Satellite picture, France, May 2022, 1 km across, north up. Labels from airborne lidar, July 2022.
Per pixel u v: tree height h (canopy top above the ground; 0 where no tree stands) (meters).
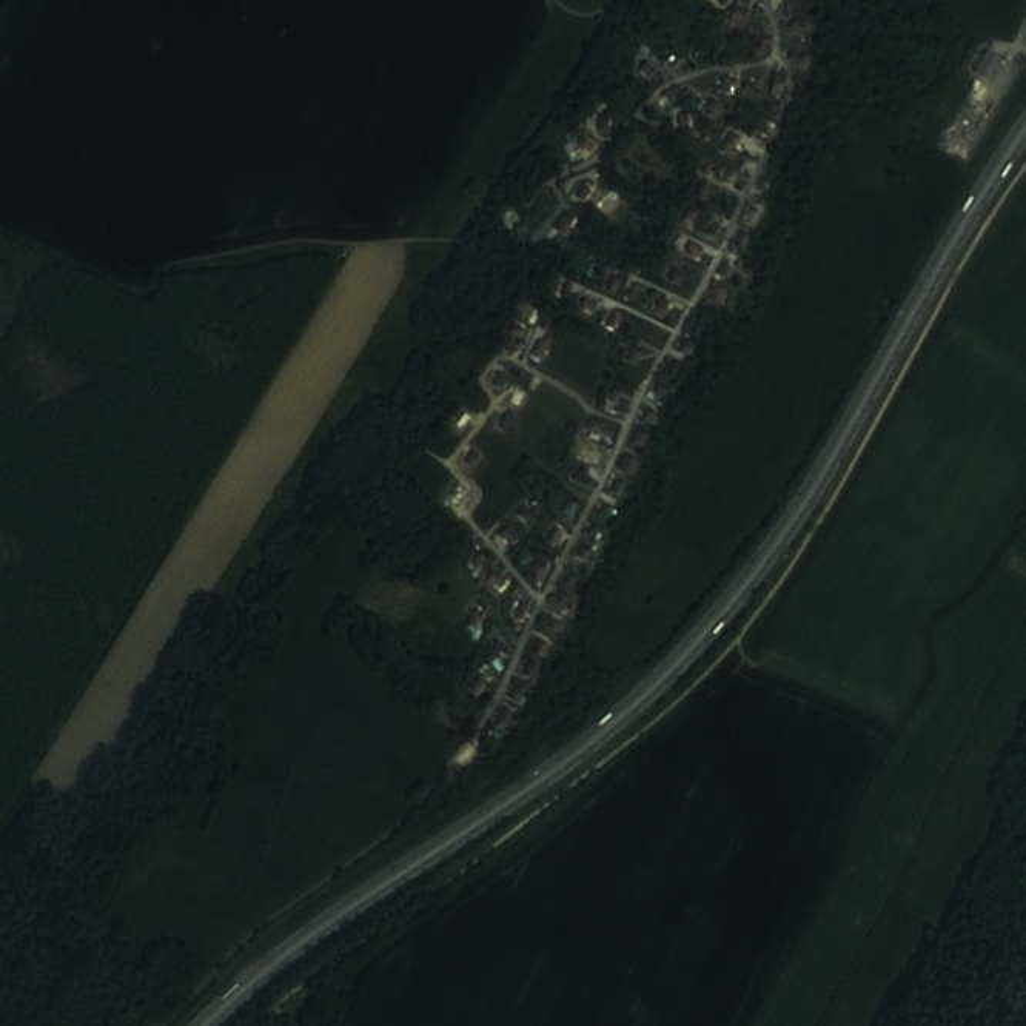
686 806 0
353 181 0
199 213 0
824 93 18
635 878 0
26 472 15
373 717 0
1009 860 24
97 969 21
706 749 0
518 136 0
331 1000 21
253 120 0
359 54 0
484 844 9
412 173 0
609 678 15
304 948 0
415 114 0
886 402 0
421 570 13
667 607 0
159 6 0
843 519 0
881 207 0
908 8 24
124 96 0
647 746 0
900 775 0
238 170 0
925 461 0
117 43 0
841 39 27
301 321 18
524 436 0
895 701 0
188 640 18
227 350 7
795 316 0
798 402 0
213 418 18
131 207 0
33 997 26
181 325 14
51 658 15
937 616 0
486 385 0
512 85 0
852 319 0
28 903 30
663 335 0
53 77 0
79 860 25
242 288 13
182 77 0
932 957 20
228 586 0
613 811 0
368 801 0
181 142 0
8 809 10
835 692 0
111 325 16
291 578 9
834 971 0
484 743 9
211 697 22
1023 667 0
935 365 0
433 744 0
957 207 0
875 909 0
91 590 14
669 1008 0
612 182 11
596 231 19
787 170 18
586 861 0
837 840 0
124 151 0
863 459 0
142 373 16
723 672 0
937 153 0
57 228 0
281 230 0
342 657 0
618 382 8
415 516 18
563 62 0
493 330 18
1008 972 28
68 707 13
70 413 18
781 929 0
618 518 16
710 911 0
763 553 0
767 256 14
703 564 0
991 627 0
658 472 16
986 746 0
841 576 0
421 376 12
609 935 0
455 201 0
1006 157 0
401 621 0
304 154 0
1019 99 0
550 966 0
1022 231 0
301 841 0
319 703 0
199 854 0
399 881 0
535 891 0
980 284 0
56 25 0
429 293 16
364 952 15
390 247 0
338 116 0
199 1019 0
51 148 0
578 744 0
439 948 0
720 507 0
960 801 0
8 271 7
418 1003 0
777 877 0
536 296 11
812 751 0
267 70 0
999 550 0
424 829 7
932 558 0
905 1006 23
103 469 17
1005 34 0
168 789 18
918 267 0
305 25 0
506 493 0
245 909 0
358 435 25
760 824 0
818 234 0
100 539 18
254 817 0
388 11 0
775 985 0
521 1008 0
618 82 7
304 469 0
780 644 0
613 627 0
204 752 24
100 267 0
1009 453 0
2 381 14
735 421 0
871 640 0
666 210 22
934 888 0
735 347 17
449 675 17
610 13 13
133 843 22
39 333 6
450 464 0
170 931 0
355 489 23
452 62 0
